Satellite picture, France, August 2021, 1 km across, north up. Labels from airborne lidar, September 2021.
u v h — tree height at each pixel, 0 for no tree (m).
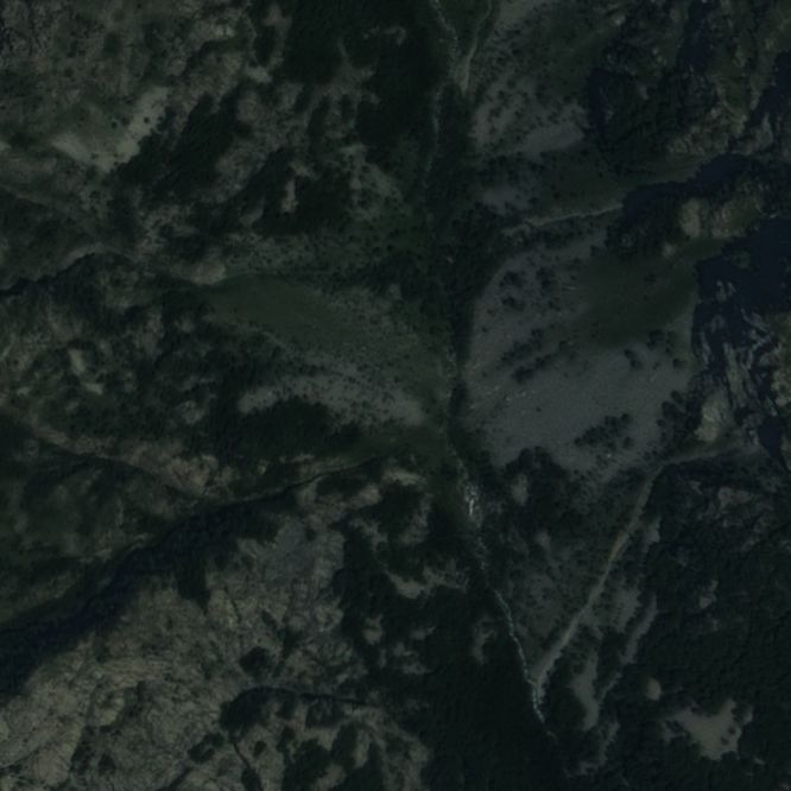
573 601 7
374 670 14
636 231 9
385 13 14
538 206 8
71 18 7
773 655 14
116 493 7
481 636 0
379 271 10
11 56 6
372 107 12
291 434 11
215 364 11
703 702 17
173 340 13
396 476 0
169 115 9
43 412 0
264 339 7
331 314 0
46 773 0
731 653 18
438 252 6
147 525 11
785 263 19
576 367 0
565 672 13
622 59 8
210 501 6
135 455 0
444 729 29
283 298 0
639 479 10
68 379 8
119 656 0
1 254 0
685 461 0
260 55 6
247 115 0
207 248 13
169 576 7
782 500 10
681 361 9
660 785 27
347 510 7
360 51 13
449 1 0
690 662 18
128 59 0
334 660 8
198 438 11
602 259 0
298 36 11
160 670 0
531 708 13
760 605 14
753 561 12
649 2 6
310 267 9
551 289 9
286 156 19
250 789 12
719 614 16
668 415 9
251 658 9
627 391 0
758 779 15
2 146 0
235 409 15
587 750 16
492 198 0
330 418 9
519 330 0
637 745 18
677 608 17
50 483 6
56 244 7
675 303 0
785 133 6
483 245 11
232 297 0
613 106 10
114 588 11
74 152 0
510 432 0
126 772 0
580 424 0
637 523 0
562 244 6
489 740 30
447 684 20
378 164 9
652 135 16
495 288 0
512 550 8
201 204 8
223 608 0
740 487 8
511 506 7
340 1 14
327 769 10
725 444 0
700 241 0
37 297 6
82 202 10
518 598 6
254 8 7
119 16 0
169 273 8
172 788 10
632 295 0
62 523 0
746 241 0
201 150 12
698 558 10
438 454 0
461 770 10
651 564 14
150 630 0
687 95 11
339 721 10
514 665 18
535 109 0
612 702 16
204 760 7
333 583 9
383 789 14
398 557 12
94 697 0
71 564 9
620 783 30
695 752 12
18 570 7
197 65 10
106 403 0
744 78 7
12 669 7
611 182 0
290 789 18
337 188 10
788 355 0
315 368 11
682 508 7
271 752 0
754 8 7
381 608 23
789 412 9
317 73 13
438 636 28
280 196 11
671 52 0
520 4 0
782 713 14
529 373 7
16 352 0
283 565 0
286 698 47
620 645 11
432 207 6
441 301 11
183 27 7
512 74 0
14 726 0
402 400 0
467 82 0
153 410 10
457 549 6
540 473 7
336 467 0
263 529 15
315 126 12
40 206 12
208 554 12
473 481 8
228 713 9
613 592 7
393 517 9
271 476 13
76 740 0
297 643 6
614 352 0
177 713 0
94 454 7
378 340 0
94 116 0
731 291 8
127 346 9
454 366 0
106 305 8
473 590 12
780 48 0
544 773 24
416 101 17
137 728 0
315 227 7
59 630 6
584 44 0
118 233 7
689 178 0
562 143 0
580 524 9
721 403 0
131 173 13
